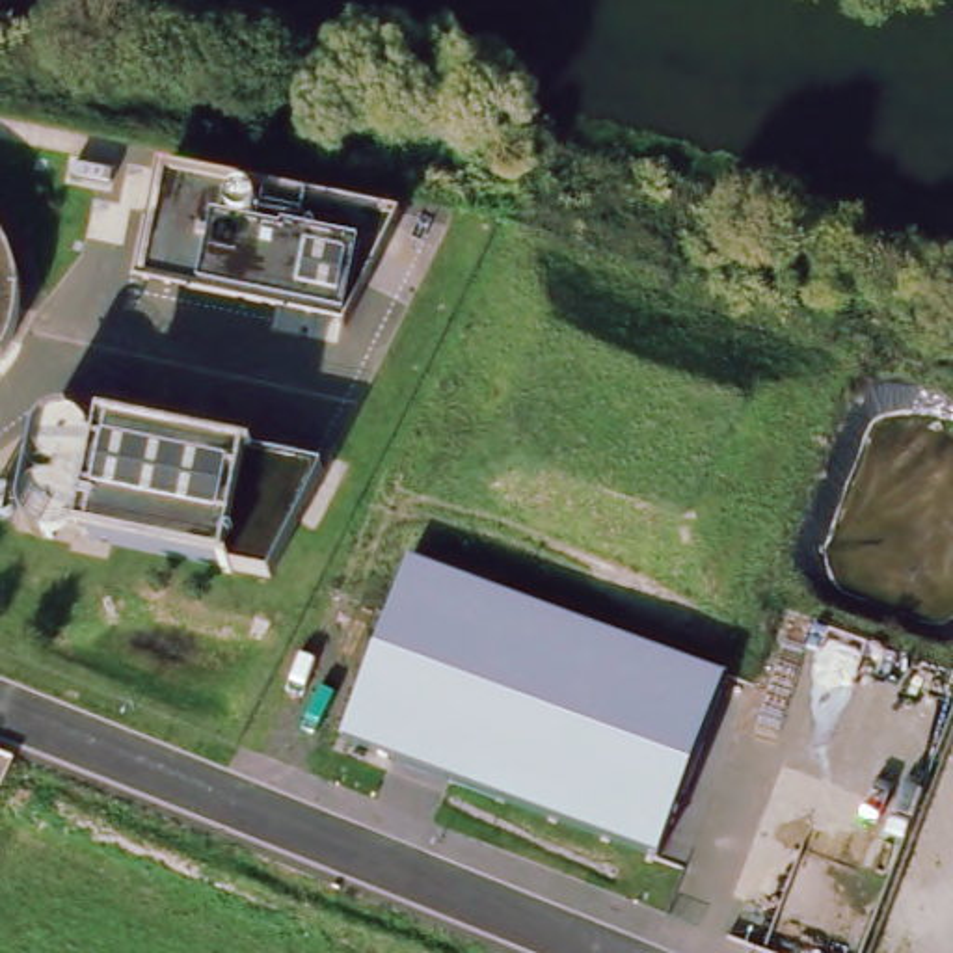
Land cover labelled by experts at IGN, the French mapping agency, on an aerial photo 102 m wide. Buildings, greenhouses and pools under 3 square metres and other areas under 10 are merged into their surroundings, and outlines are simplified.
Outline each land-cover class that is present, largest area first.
<instances>
[{"label":"herbaceous vegetation","instance_id":"1","mask_svg":"<svg viewBox=\"0 0 953 953\"><path fill-rule=\"evenodd\" d=\"M0 223L7 231L19 268V309L30 313L60 268L67 272L71 264H78V249H71V242L86 235L89 208V190H74L63 182V153L34 149L15 134L0 130ZM443 208L447 235L424 283L413 294V305L398 320L376 365L369 398L354 417L339 447V458L331 462L324 484L316 488L302 517L305 525L294 532L283 558L268 562V577L223 573L216 562L186 558L179 551H112L108 558H86L74 555L67 544L15 532L0 521V678L48 700H60L67 707H78L93 718H104L112 726H123L130 733H141L149 741H160L194 759H205L212 767H227L235 756L264 752L279 711L290 700L283 689L287 670L294 655L305 651L309 637L320 633V625L328 622L331 592H346L350 599H361L365 607L380 611L391 596L402 562L413 551H421L424 558H436L443 566L477 573L503 588L536 596L544 603L566 607L603 625L707 659L737 681L759 678L774 655L785 611H804L819 625H838L845 633L879 640L886 651H905L908 663L953 666V640H923L893 622H871L834 603H819L793 566V540L800 517L823 477L830 439L845 413L812 380H797L812 365L808 346L778 339L748 324L745 316L707 309H696L692 316L655 313L644 302H633L625 290L599 287L588 268L544 253L551 246L547 231L521 227L510 220L514 208H536L521 179H503L488 164L458 156L454 171H424L421 186L413 190V201ZM34 618L45 629V655L22 659L15 651V633H22ZM350 685L342 689V700L331 715H320L316 726H302L313 748L309 774L320 782H339L361 797L380 793L383 785L380 767L335 752L339 730ZM0 953H491L477 942L443 934L428 923H417L387 905H372L346 890L324 893L313 886H298L261 867V856H253L249 849H235L220 838L194 834L153 812H138L115 797L82 789L78 782H63L41 767L7 763V774L0 782ZM454 800L521 823L525 838L488 826L443 804L436 808V826L491 845L499 852L521 856L536 867L558 871L592 890L618 893L644 908H666L678 882V864L659 856L655 864H648L640 845L618 838L614 830H596L588 823L544 812L517 797L458 778L447 785ZM555 838L584 845L592 852H607L614 860V875H603L588 864L544 849Z\"/></svg>","mask_w":953,"mask_h":953},{"label":"impervious surface","instance_id":"2","mask_svg":"<svg viewBox=\"0 0 953 953\"><path fill-rule=\"evenodd\" d=\"M0 130L15 134L34 149L63 153H82V160L123 168L119 201L89 208L86 235L71 242V249H78V264H71L67 272L60 268L30 313L19 309V268L7 231L0 223V521L15 532L67 544L74 555L86 558H108L112 551L104 540L86 536V521L93 514L63 510L37 521L19 506L30 491L34 465H45V454L37 450V428L45 402L52 398H71L74 406H82L93 398H115L186 417L242 424L246 432L275 443L320 450L331 462L339 458V447L354 417L369 398L376 365L398 320L413 305V294L424 283L447 235L443 208L413 201L409 205L402 227L395 231L365 290L361 313L324 328L316 316L179 290L175 275L145 268L149 220L160 194V179L145 168V156L156 149H127L115 141L86 145L82 130L48 127L19 115H4L0 123ZM897 417L953 421V398L942 391H923L905 380H875L864 391V398L852 402L845 413L830 439L823 477L800 517L793 540V566L819 603H834L871 622H893L923 640H953V618H927L912 596H875L852 584H838V570H823L819 562V540L834 514L841 480L852 465L856 443L871 447L879 424ZM380 611L365 607L361 599H350L346 592H331L328 622L320 625V633L309 637L305 651L294 655L287 670L283 689L290 700L279 711L264 752L235 756L227 767H212L205 759H194L160 741H149L141 733H130L123 726H112L104 718H93L78 707H67L60 700H48L0 678V782L7 774V763L41 767L63 782H78L82 789L115 797L138 812H153L194 834L220 838L235 849H249L253 856H261V867L298 886H313L324 893L346 890L372 905H387L417 923H428L443 934L477 942L491 953H953V666L908 663L905 651H886L879 640L845 633L838 625H819L804 611H785L774 655L759 678L737 681L722 670L700 733L692 741L663 834L655 845H640L648 864H655L659 856L678 864V882L666 908H644L618 893L592 890L558 871L536 867L521 856L499 852L491 845L436 826V808L443 804L488 826L525 838L521 823L454 800L447 785L458 778L443 767L395 752L391 745H369L339 730L335 752L380 767L383 785L380 793L361 797L339 782H320L309 774L313 748L302 726H316L320 715H331L342 700V689L350 685L376 637ZM544 849L588 864L603 875H614V860L607 852H592L584 845L555 838Z\"/></svg>","mask_w":953,"mask_h":953},{"label":"building","instance_id":"3","mask_svg":"<svg viewBox=\"0 0 953 953\"><path fill-rule=\"evenodd\" d=\"M145 168L160 179V194L149 220L145 268L175 275L179 290L316 316L324 328L361 313L365 290L395 231L402 227L409 205L290 175H257L249 182L238 168L156 149L145 156ZM63 182L74 190H89V208L119 201L123 168L82 160V153H63ZM37 450L45 454V465H34L30 491L19 506L37 521L63 510L93 514L86 521V536L104 540L112 551H179L186 558L216 562L223 573L268 577V562L283 558L294 532L305 525L302 517L316 488L324 484L331 462L320 450L275 443L246 432L242 424L186 417L115 398H93L82 406H74L71 398H52L45 402L37 428ZM722 670L707 659L603 625L566 607L544 603L536 596L503 588L477 573L443 566L436 558H424L421 551H413L402 562L391 596L380 611L376 637L350 685L339 730L369 745H391L395 752L443 767L458 778L517 797L544 812L588 823L596 830H614L618 838L640 845H655L663 834L692 741L700 733Z\"/></svg>","mask_w":953,"mask_h":953},{"label":"water","instance_id":"4","mask_svg":"<svg viewBox=\"0 0 953 953\"><path fill-rule=\"evenodd\" d=\"M212 11L227 7L257 19L275 15L294 34H320V26L335 22L342 7H361L369 19L391 26H398L402 19L439 22L443 15H454L458 30L473 48V60L495 67L503 78H525L532 97V119L540 127H551L562 145H577L607 160H651L666 171L711 186L730 175H759L763 194L782 190L789 197L793 223L800 227H815L823 216H830L834 223L852 227L856 235L879 238L886 246L901 231H919L931 242H953V0H938L931 7L893 11L882 22H860L841 11L838 0H205ZM819 562L823 570H838V584H852L875 596H912L927 618H953V421L897 417L879 424L871 447L856 443L852 465L841 480L834 514L819 540Z\"/></svg>","mask_w":953,"mask_h":953},{"label":"deciduous trees","instance_id":"5","mask_svg":"<svg viewBox=\"0 0 953 953\"><path fill-rule=\"evenodd\" d=\"M30 41L37 67L52 74L71 101H153L164 108L208 104L242 123L290 108L294 134L320 149H339L346 134H376L387 145L443 141L458 156L488 164L503 179H521L532 171V97L525 78H503L495 67L473 60V48L458 30L454 15H443L439 22L402 19L398 26H391L369 19L361 7H342L335 22L320 26V34H294L275 15L257 19L227 7L212 11L205 0H0V45ZM841 11L860 22H882L893 11L931 7L938 0H838ZM633 168L648 201H670L666 171L651 160H637ZM692 216L707 227L711 242L726 249L737 264L785 268L797 257H808V283L834 287V275L849 272L864 309H882L893 298H912L919 335L908 342V350L953 361V242H931L919 231H901L886 246L879 238L856 235L852 227L834 223L830 216H823L815 227H800L793 223L789 197L782 190L763 194L759 175H730L711 186L707 201L692 205ZM15 651L22 659L45 655V629L34 618L22 633H15Z\"/></svg>","mask_w":953,"mask_h":953},{"label":"brushwood","instance_id":"6","mask_svg":"<svg viewBox=\"0 0 953 953\"><path fill-rule=\"evenodd\" d=\"M4 115H19L48 127L82 130L86 145L115 141L127 149H156L238 168L249 182L257 175H290L409 205L413 201V190L421 186L424 171H454L458 156L443 141L387 145L376 134H346L339 149H320L294 134L290 108L242 123L208 104L164 108L153 101H71L52 74L37 67L30 41L0 45V123ZM637 160H607L577 145H562L551 127H540L532 119V171L521 179L536 208H514L510 220L521 227L547 231L551 246L544 253L588 268L599 287L625 290L633 302H644L655 313L692 316L696 309H707L745 316L748 324L778 339L808 346L812 365L797 380H812L845 413L852 402L864 398V391L875 380H905L923 391H942L953 398V361L908 350V342L919 335L912 298H893L882 309H864L849 272L834 275V287L808 283V257H797L785 268L737 264L726 249L711 242L707 227L692 216V205L707 201L711 186L666 171L670 201H648L633 168Z\"/></svg>","mask_w":953,"mask_h":953}]
</instances>
